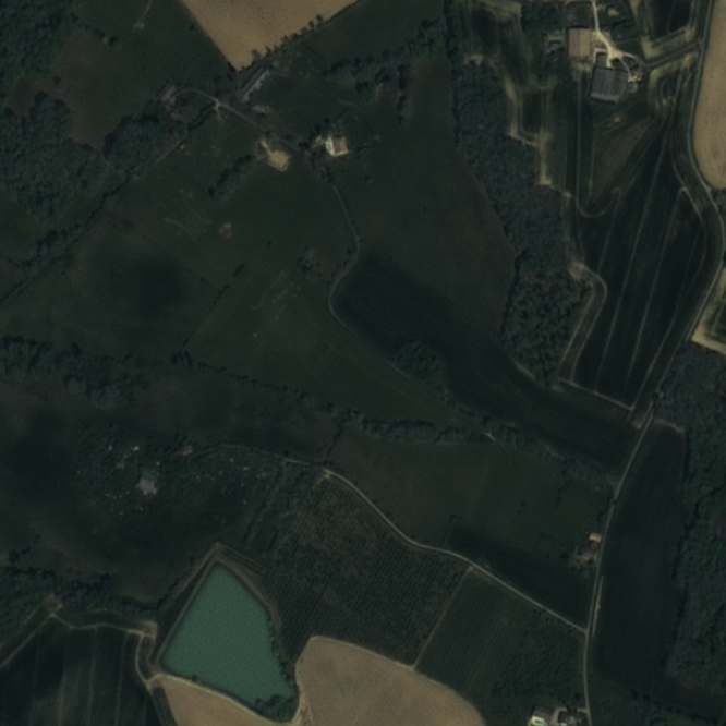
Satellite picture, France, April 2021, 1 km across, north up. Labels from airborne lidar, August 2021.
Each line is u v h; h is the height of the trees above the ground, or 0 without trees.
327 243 0
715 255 0
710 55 0
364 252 0
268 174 0
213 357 0
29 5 25
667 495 0
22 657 0
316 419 0
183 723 0
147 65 0
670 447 0
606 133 0
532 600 0
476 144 20
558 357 17
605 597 0
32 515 0
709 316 0
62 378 15
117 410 0
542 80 0
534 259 20
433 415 0
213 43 0
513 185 18
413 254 0
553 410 0
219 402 0
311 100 0
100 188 6
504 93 14
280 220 0
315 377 0
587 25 0
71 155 19
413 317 0
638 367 0
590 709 0
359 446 0
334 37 0
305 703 0
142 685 0
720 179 0
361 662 0
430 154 0
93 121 0
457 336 0
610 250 0
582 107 0
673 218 0
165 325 0
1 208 0
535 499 0
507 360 0
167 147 21
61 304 0
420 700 0
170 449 7
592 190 0
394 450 0
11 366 13
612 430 0
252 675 0
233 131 0
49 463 0
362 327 0
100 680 0
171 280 0
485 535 0
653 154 0
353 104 0
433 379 11
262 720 0
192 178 0
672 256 0
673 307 0
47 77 15
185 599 0
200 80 0
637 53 0
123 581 0
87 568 0
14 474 0
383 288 0
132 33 0
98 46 0
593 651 0
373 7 0
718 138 0
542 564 0
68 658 0
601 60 0
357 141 0
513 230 15
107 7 0
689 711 0
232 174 13
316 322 0
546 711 0
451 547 0
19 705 0
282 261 0
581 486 0
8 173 17
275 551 10
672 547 0
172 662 0
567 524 0
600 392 0
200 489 0
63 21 21
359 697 0
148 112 0
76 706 0
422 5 0
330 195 0
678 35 0
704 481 24
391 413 0
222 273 0
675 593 0
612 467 0
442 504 0
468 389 0
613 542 0
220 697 0
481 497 0
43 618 0
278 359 0
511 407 0
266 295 0
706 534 19
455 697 0
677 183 0
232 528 0
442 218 0
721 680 26
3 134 24
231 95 18
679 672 19
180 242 0
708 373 20
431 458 0
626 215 0
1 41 21
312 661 0
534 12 15
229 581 0
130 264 0
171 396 0
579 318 8
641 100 0
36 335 0
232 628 0
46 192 21
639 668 0
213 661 0
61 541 0
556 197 18
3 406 0
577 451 0
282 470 8
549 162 0
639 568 0
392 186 0
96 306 0
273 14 0
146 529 0
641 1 0
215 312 0
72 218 0
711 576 19
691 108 0
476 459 0
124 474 9
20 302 0
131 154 19
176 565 0
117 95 0
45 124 23
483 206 0
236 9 0
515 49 0
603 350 0
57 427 0
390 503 0
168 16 0
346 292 0
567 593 0
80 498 0
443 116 0
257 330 0
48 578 15
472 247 0
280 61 0
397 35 0
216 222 0
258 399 0
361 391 0
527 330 17
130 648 0
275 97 0
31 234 0
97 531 0
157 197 0
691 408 21
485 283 0
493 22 0
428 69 0
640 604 0
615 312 0
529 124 0
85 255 0
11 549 0
